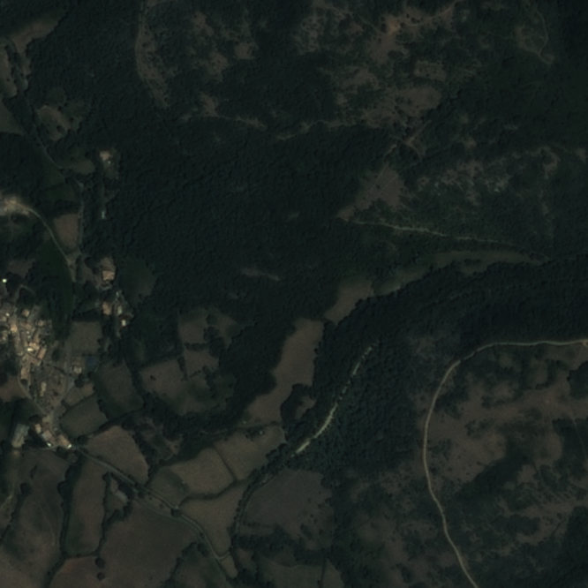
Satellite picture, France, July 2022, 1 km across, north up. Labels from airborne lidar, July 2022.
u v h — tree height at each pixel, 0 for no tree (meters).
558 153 7
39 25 0
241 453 0
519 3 9
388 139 12
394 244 8
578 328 6
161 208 12
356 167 12
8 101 12
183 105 10
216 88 13
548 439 0
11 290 15
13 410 7
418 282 12
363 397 9
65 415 6
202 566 0
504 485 0
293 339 0
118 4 9
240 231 13
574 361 0
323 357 7
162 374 0
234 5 10
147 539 0
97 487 0
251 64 9
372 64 5
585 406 0
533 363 0
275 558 0
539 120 7
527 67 6
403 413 8
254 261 7
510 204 8
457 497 6
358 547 6
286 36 6
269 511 0
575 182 8
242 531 0
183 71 7
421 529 0
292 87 7
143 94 9
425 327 8
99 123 8
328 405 13
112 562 0
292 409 12
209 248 7
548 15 6
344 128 11
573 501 0
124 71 11
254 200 13
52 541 0
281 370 0
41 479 0
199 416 11
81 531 0
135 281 0
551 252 13
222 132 7
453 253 0
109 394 0
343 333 16
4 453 9
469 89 13
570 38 14
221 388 0
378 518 0
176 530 0
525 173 7
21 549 0
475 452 0
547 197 7
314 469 8
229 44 10
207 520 0
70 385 0
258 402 0
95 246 13
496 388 0
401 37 8
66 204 9
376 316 18
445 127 9
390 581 0
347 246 13
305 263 8
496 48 7
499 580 6
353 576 7
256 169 10
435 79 6
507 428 0
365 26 7
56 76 11
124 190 9
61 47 10
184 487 0
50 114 0
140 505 0
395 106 7
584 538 7
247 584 8
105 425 10
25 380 6
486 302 7
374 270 8
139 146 16
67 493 18
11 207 0
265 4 9
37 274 13
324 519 0
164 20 7
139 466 0
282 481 0
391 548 0
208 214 12
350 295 0
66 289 0
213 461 0
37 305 10
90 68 8
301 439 9
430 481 0
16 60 12
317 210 11
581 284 5
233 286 6
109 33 7
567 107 5
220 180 14
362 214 9
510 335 10
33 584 0
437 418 0
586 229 10
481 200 6
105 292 8
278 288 12
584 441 0
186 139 13
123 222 14
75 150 15
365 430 8
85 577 0
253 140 14
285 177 12
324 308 11
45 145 13
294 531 0
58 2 16
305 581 0
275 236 7
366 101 6
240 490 0
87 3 19
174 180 15
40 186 17
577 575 8
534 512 0
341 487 8
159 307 7
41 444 12
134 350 7
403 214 7
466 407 0
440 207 8
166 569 0
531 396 0
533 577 6
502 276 15
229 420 14
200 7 8
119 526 0
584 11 15
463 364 7
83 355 6
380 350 11
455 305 10
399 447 6
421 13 0
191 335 0
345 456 8
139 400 0
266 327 13
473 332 10
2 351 7
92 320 18
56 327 7
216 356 8
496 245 9
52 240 9
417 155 9
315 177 9
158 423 9
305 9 8
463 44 10
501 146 11
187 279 13
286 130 9
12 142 16
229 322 0
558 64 9
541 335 8
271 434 0
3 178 9
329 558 14
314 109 7
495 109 6
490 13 11
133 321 13
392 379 8
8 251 9
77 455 11
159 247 12
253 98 10
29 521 0
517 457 0
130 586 0
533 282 8
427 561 0
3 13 12
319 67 7
